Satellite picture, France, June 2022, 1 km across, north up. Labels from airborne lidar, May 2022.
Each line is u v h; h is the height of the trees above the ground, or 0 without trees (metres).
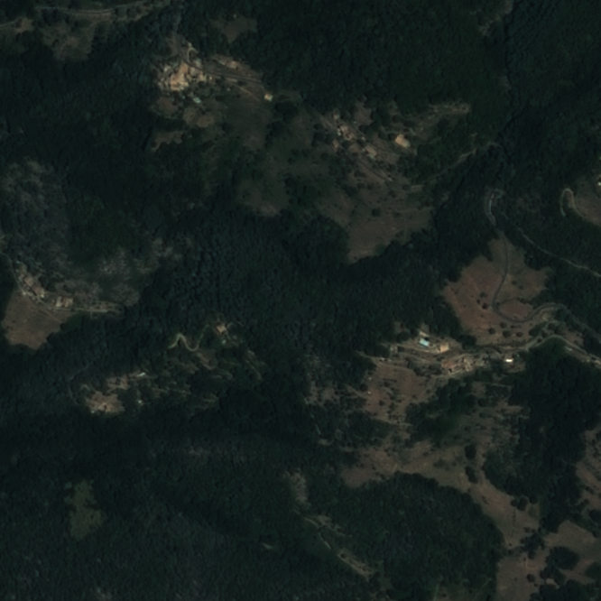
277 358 14
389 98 13
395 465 0
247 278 16
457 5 16
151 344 26
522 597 0
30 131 19
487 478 6
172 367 14
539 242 8
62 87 21
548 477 14
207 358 0
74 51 0
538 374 16
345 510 11
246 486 11
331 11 8
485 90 16
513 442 11
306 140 0
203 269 20
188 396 8
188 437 9
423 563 11
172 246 7
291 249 23
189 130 9
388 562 11
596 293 15
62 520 15
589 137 14
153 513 12
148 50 10
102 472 16
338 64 16
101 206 13
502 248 0
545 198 9
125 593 13
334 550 6
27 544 8
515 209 7
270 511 15
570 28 18
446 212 25
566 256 5
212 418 20
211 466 12
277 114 7
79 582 10
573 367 14
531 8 26
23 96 13
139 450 14
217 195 14
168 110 0
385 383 7
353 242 0
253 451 9
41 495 15
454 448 0
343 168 8
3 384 26
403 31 13
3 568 17
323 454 9
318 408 8
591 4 18
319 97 16
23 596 9
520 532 0
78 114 12
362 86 10
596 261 11
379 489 8
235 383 12
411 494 7
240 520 13
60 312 0
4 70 30
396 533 7
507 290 0
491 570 7
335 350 14
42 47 13
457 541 11
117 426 16
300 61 17
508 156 29
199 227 9
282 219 15
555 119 13
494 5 12
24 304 0
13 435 23
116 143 14
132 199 11
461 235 17
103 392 11
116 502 16
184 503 24
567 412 16
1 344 16
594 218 0
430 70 16
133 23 14
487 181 13
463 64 17
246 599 15
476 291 0
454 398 10
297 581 9
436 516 9
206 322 8
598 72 19
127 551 18
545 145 14
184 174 17
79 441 18
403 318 9
